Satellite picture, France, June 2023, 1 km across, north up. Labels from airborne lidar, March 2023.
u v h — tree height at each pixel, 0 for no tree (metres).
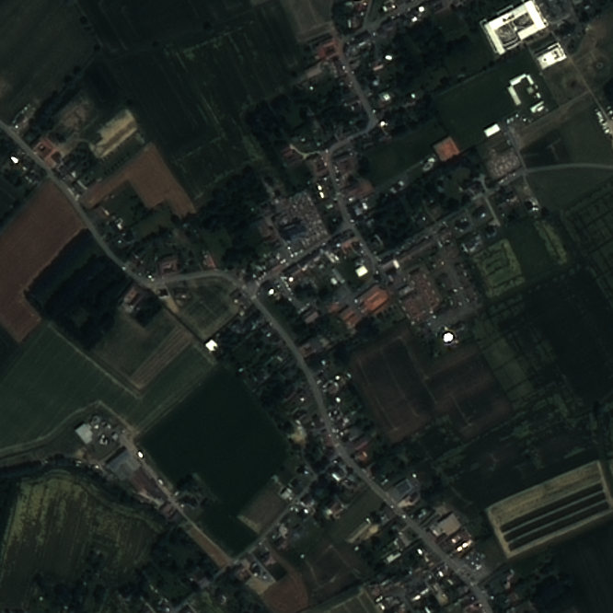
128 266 0
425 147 0
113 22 0
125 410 0
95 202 0
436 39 17
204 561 14
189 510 0
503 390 0
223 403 0
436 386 0
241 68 0
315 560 0
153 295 6
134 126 0
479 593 0
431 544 0
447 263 0
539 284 0
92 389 0
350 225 0
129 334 0
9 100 0
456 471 0
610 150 0
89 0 0
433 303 0
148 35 0
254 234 0
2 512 12
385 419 0
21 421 0
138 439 0
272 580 0
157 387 0
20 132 0
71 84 14
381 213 14
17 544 0
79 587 11
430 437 0
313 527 0
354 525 0
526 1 0
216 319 0
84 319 0
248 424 0
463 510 0
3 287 0
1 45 0
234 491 0
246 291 0
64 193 0
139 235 0
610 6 0
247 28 0
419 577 0
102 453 0
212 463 0
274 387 16
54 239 0
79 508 0
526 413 0
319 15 0
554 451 0
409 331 0
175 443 0
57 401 0
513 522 0
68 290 27
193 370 0
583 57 0
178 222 17
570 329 0
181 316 0
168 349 0
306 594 0
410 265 0
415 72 10
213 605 0
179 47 0
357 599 0
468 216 0
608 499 0
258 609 10
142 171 0
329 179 0
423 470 0
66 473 0
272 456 0
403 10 0
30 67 0
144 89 0
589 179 0
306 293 15
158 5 0
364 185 0
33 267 0
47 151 0
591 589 0
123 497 13
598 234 0
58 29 0
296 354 0
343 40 0
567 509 0
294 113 0
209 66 0
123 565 0
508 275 0
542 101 0
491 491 0
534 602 11
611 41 0
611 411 0
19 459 0
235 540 0
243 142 0
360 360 0
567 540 0
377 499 0
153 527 0
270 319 0
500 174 0
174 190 0
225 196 7
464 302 0
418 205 17
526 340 0
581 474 0
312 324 8
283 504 0
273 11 0
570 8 0
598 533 0
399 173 0
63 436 0
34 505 0
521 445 0
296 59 0
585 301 0
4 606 0
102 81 0
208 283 0
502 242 0
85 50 0
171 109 0
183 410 0
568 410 0
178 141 0
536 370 0
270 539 0
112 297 18
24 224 0
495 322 0
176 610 0
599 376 0
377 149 0
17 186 9
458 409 0
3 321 0
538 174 0
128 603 12
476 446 0
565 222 0
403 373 0
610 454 0
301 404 0
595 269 0
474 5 10
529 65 0
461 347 0
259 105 0
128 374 0
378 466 12
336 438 0
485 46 0
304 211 0
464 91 0
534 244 0
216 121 0
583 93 0
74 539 0
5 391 0
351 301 0
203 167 0
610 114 0
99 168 0
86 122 0
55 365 0
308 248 0
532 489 0
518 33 0
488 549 0
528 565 0
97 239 0
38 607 0
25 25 0
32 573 0
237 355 0
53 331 0
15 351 0
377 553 0
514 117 0
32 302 19
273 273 0
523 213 0
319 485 17
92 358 0
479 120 0
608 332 0
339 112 11
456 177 0
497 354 0
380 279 8
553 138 0
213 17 0
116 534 0
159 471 0
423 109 13
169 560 7
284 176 8
